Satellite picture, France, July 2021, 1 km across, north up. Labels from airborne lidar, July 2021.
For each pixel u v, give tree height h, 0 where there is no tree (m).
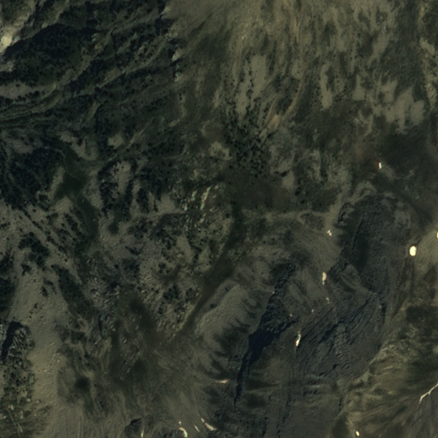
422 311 0
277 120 0
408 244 0
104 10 0
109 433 0
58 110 8
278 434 0
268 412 0
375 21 0
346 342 0
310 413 0
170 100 0
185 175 0
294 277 0
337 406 0
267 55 0
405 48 0
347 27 0
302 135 0
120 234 0
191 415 0
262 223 0
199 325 0
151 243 0
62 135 0
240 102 0
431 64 0
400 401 0
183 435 0
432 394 0
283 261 0
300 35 0
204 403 0
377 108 0
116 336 0
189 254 0
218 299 0
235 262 0
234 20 0
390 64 0
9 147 0
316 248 0
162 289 0
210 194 0
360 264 0
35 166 18
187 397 0
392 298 0
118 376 0
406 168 0
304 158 0
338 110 0
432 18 0
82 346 0
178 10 0
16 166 12
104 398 0
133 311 0
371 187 0
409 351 0
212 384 0
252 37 0
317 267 0
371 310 0
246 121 0
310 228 0
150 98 0
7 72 15
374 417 0
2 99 10
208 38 0
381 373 0
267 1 0
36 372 0
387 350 0
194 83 0
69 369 0
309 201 0
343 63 0
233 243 0
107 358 0
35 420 0
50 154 11
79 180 0
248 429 0
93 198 0
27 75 8
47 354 0
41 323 0
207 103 0
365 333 0
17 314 0
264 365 0
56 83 0
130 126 8
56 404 0
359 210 0
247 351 0
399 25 0
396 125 0
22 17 0
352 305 0
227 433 0
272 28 0
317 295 0
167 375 0
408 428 0
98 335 0
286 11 0
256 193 0
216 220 0
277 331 0
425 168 0
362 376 0
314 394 0
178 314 0
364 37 0
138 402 0
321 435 0
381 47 0
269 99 0
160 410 0
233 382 0
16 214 0
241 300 0
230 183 6
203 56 0
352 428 0
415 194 0
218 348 0
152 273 0
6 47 0
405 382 0
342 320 0
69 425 0
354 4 0
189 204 6
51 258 0
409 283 0
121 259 0
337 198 0
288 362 0
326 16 0
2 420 0
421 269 0
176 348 0
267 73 0
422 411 0
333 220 0
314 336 0
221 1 0
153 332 0
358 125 0
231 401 0
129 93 5
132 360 0
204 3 0
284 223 0
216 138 0
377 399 0
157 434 0
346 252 0
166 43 0
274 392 0
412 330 0
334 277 0
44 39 13
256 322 0
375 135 0
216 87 0
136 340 0
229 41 0
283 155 0
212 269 0
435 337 0
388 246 0
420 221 0
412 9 0
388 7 0
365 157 0
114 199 10
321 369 0
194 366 0
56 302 0
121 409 0
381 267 0
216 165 0
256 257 0
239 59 0
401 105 0
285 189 0
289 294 0
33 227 0
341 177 0
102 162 0
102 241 0
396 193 0
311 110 0
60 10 0
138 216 0
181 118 0
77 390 0
